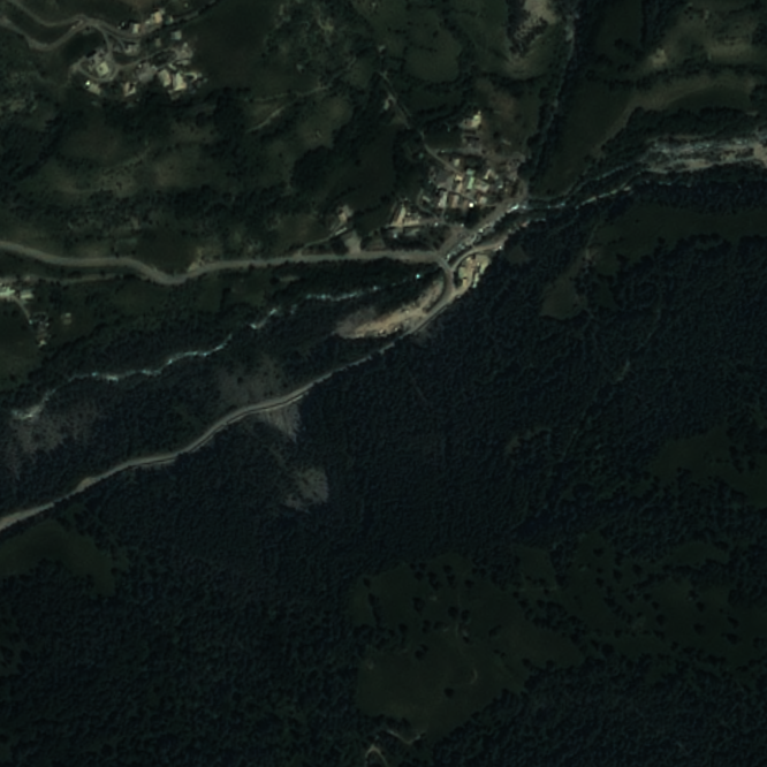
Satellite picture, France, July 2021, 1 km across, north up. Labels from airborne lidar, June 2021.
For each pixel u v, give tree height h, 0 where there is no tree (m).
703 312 20
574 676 18
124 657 13
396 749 26
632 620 12
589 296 10
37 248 0
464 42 9
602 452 14
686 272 21
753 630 0
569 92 13
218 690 15
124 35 0
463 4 0
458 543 25
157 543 13
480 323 13
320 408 21
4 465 7
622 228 0
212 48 0
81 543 0
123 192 0
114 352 17
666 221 0
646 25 12
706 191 27
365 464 19
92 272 0
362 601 0
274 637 21
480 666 0
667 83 16
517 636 0
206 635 13
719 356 18
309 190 8
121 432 17
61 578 18
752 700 12
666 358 22
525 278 18
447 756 21
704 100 0
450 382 21
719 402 24
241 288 0
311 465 7
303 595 16
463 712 0
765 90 12
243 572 13
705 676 26
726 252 26
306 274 16
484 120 0
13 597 19
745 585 9
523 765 21
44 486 15
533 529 30
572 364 27
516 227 0
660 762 8
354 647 16
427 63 0
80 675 23
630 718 12
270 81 0
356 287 12
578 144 0
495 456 23
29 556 0
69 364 18
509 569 17
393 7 0
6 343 0
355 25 10
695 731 20
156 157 8
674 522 22
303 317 11
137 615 18
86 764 16
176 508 21
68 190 0
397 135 8
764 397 14
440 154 6
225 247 6
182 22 8
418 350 12
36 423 0
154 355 13
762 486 0
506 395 24
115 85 7
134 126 13
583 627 10
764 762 12
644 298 24
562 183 0
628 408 18
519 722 25
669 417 15
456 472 20
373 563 20
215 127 8
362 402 13
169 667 19
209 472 15
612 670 22
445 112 10
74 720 14
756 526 28
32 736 12
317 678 15
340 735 13
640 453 18
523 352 14
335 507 12
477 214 10
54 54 0
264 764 25
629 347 12
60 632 8
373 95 12
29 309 0
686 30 0
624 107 0
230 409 6
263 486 13
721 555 0
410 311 0
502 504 31
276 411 0
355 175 0
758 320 20
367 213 10
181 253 0
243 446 16
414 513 27
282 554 19
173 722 7
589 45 19
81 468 15
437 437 14
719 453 0
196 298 18
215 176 0
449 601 0
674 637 0
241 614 17
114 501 21
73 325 0
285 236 0
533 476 26
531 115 0
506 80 10
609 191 8
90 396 12
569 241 14
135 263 0
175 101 8
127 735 7
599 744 9
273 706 26
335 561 21
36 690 19
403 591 0
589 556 0
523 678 0
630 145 13
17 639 19
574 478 18
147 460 0
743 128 7
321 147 8
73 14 0
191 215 14
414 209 6
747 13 9
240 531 22
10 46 0
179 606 21
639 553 21
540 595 0
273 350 6
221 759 8
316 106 8
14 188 12
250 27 0
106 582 0
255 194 12
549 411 28
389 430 18
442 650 0
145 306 0
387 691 0
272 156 0
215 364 9
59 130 11
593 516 28
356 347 15
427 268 8
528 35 10
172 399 11
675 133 14
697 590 8
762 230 0
